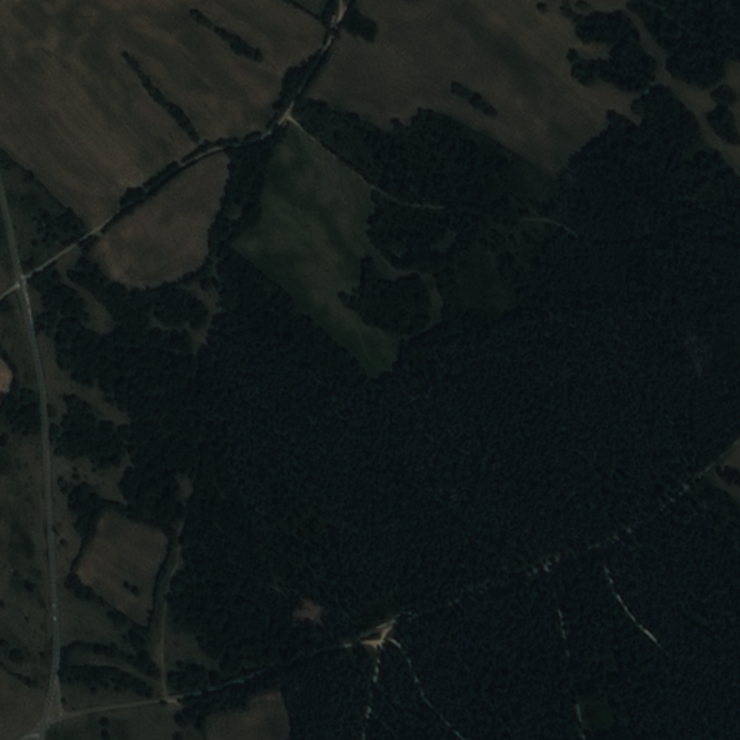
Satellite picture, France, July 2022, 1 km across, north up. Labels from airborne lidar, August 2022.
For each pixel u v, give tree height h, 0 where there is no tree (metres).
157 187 9
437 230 9
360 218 0
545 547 24
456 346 28
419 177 8
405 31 0
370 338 0
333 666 21
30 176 13
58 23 0
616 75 12
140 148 0
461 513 25
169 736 0
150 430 13
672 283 17
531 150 0
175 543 11
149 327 7
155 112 0
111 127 0
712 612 32
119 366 15
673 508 26
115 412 0
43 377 0
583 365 29
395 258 16
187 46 0
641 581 31
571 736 32
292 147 0
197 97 0
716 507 19
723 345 15
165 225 0
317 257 0
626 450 27
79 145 0
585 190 16
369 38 9
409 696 27
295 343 17
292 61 0
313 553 23
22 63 0
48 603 0
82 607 0
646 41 0
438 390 27
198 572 17
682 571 33
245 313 16
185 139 0
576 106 0
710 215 15
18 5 0
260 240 0
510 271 16
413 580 26
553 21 0
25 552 0
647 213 16
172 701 0
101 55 0
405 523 26
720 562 31
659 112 10
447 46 0
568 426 24
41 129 0
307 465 27
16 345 0
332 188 0
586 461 22
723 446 12
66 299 17
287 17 0
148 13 0
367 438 25
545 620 25
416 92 0
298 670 18
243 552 10
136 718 0
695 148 0
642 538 29
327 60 9
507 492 29
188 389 20
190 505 14
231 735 0
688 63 14
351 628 25
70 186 0
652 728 28
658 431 29
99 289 9
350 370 19
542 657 26
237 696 15
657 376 29
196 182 0
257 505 19
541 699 34
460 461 27
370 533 24
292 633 11
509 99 0
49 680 0
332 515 25
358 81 0
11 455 0
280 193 0
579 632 29
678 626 27
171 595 9
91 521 15
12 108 0
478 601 26
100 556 0
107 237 0
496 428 29
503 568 29
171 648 0
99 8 0
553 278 20
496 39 0
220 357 24
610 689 29
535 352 25
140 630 9
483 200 9
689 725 26
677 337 24
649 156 15
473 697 25
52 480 0
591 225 18
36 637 0
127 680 8
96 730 0
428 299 11
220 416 21
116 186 0
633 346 30
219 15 0
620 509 24
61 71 0
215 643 14
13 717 0
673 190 13
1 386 0
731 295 17
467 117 0
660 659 30
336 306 0
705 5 10
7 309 7
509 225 16
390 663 28
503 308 0
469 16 0
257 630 17
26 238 0
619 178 18
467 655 26
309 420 31
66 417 11
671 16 20
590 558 25
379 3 0
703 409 17
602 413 31
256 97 0
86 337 13
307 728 21
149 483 14
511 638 31
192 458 14
